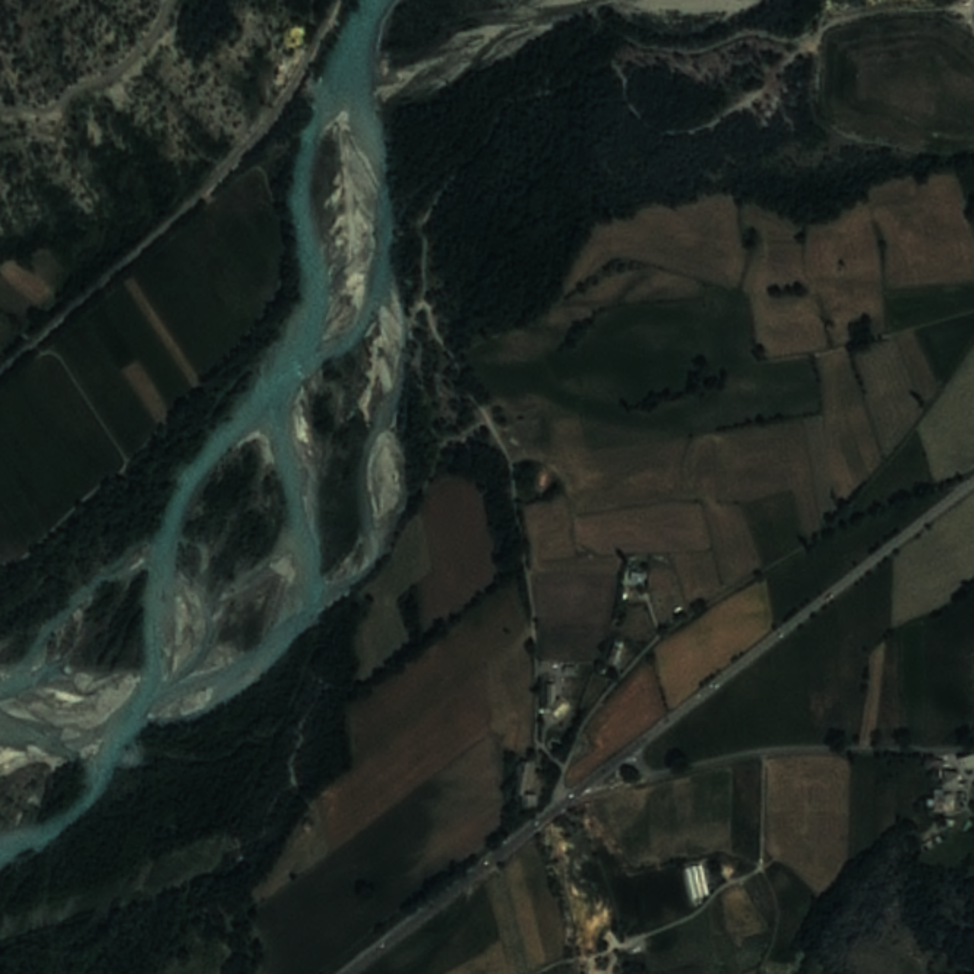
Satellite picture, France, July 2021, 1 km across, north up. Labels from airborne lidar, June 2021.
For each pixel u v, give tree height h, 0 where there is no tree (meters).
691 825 0
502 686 0
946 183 0
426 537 0
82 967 15
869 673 6
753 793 0
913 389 0
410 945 0
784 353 0
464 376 12
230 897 19
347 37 0
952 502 0
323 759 14
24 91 9
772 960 0
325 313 0
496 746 0
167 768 10
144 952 18
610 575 0
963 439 0
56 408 0
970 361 0
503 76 11
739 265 0
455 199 12
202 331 0
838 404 0
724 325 0
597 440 0
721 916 0
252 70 9
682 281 0
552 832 0
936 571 0
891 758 9
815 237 0
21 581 16
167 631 0
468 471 18
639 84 13
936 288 0
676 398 7
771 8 9
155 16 8
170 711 0
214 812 15
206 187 0
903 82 0
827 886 0
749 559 0
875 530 0
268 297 0
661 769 0
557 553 0
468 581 0
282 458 0
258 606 0
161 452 16
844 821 0
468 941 0
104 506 15
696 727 0
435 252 6
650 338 0
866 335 9
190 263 0
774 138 9
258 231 0
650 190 11
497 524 6
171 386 0
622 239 0
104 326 0
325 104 0
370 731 0
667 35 8
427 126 14
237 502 8
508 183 10
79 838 12
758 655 0
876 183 14
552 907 0
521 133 10
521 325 17
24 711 0
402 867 0
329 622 16
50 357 0
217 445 0
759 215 0
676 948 0
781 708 0
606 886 0
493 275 18
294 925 0
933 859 0
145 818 12
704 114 11
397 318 0
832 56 0
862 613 0
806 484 0
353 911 0
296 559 0
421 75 0
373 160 0
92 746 0
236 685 0
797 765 0
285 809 9
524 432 0
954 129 0
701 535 0
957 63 0
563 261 13
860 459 0
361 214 0
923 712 0
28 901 14
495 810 0
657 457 0
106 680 0
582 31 10
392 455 0
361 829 0
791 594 0
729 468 0
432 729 0
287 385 0
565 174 14
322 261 0
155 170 13
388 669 10
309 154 0
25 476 0
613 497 0
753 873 0
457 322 13
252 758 10
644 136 8
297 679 6
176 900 18
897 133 0
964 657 0
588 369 0
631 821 0
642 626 0
